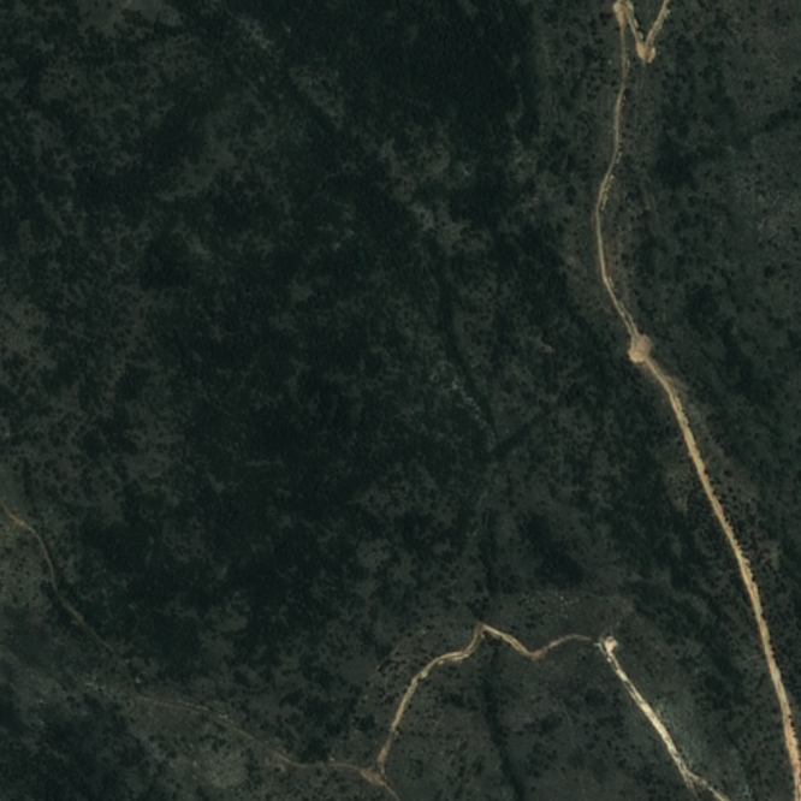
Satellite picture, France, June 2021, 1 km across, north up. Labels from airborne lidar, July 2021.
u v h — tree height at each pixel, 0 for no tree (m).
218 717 0
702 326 6
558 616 0
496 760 0
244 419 7
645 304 7
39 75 10
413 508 6
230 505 6
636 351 0
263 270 7
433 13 8
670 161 8
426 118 8
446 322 7
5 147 7
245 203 8
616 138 0
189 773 0
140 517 7
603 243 0
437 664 0
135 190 6
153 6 0
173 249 5
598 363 10
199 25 8
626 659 0
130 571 6
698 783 0
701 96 0
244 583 6
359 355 8
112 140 6
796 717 0
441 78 9
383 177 8
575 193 10
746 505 7
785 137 0
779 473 7
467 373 6
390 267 10
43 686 0
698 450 0
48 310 6
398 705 0
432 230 7
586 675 0
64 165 7
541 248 8
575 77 6
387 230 7
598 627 0
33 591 0
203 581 6
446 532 6
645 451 6
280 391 7
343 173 9
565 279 9
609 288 0
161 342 8
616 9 0
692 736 0
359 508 7
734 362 6
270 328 6
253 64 6
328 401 9
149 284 9
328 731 6
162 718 0
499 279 7
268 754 0
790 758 0
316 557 6
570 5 5
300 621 7
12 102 7
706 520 8
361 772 0
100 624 6
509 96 9
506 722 0
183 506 6
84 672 0
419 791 0
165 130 5
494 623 0
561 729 0
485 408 6
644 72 0
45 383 6
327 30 6
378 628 0
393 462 6
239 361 6
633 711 0
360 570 6
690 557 6
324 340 7
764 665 0
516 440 5
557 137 8
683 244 6
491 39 10
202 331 7
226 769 0
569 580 6
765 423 7
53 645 0
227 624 0
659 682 0
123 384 6
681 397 0
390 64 9
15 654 0
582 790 0
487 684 7
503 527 0
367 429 7
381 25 7
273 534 6
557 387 5
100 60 7
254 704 0
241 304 9
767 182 0
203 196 6
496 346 6
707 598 8
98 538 7
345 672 0
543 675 0
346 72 6
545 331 9
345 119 8
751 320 0
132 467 0
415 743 0
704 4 7
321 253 8
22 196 7
